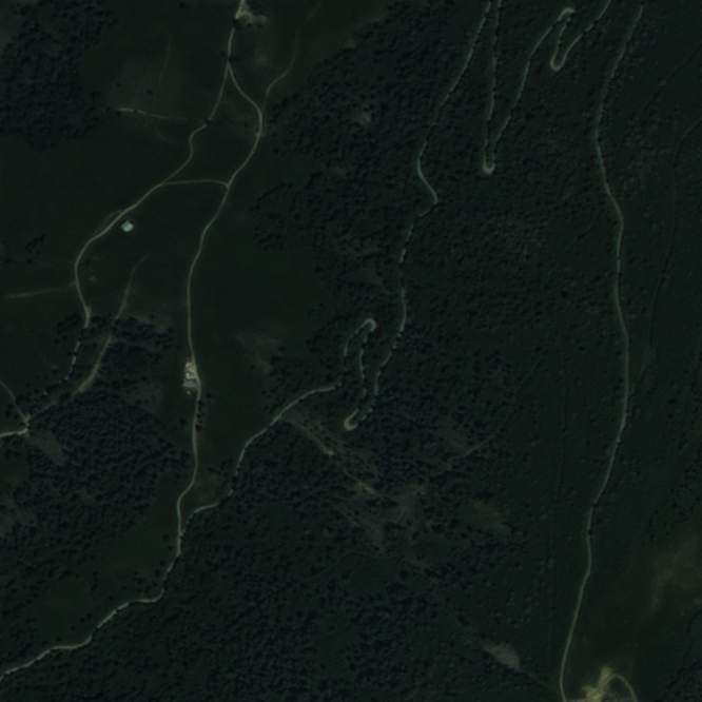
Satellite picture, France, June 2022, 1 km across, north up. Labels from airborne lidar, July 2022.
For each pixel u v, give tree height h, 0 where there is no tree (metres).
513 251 7
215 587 8
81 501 12
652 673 0
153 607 9
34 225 0
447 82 9
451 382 8
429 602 9
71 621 0
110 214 0
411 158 10
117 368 12
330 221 13
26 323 0
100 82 0
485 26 7
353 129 14
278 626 8
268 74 0
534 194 6
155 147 0
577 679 0
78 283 0
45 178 0
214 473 14
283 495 18
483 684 8
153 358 16
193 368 0
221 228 0
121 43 0
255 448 9
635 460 7
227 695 7
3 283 0
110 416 13
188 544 12
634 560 0
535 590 8
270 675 19
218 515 11
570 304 8
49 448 0
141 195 0
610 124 8
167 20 0
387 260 12
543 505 7
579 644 0
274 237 12
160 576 15
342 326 10
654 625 0
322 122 12
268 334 0
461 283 8
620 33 6
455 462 6
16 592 12
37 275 0
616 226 9
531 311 7
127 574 0
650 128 11
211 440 0
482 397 14
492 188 12
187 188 0
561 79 8
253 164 0
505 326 11
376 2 0
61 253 0
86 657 9
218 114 0
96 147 0
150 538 0
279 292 0
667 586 0
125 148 0
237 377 0
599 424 6
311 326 0
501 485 7
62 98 18
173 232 0
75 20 20
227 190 0
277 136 11
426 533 7
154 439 15
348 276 14
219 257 0
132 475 19
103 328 16
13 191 0
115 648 6
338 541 12
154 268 0
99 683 11
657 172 7
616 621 0
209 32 0
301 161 0
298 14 0
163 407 0
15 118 19
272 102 0
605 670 0
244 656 15
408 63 12
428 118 11
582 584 0
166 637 12
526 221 7
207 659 12
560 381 6
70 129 20
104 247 0
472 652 7
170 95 0
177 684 6
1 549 18
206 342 0
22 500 17
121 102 0
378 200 10
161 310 0
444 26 10
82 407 20
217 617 11
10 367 0
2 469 0
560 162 6
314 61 0
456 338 9
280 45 0
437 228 9
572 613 0
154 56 0
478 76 7
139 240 0
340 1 0
